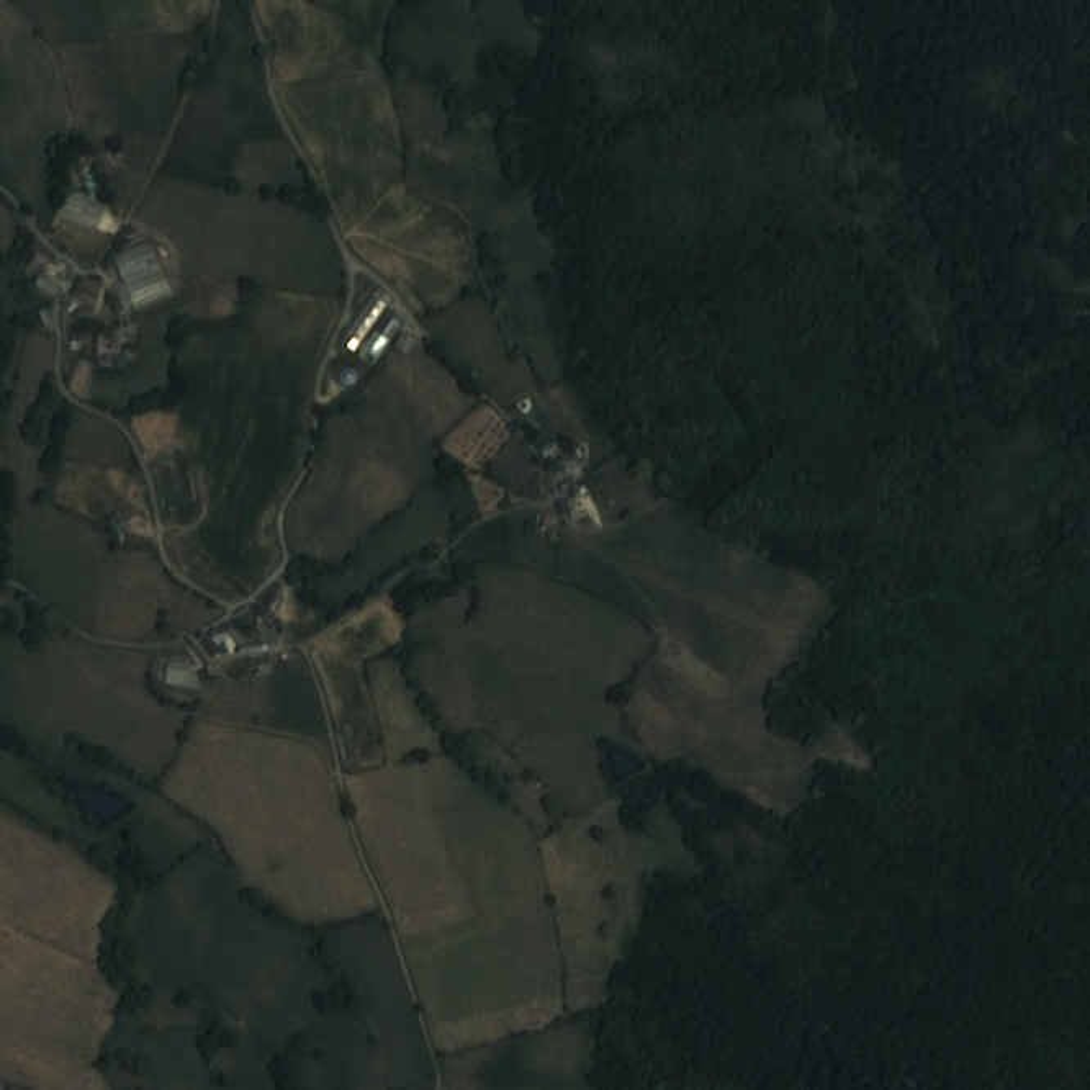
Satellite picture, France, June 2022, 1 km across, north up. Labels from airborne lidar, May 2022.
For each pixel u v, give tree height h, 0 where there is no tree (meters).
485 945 0
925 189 19
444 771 0
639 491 0
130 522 0
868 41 12
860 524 14
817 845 17
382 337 0
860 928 17
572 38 7
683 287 16
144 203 0
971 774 18
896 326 8
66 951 0
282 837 0
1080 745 8
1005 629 14
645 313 17
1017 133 16
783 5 14
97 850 12
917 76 28
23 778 0
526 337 0
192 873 0
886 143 19
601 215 8
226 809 0
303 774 0
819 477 14
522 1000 0
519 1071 0
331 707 0
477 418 0
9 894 0
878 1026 23
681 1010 23
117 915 12
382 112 0
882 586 14
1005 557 13
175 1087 0
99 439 0
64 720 0
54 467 14
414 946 0
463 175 0
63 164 13
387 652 9
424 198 0
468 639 0
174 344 16
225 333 0
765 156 8
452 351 0
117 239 6
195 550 0
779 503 12
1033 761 22
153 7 0
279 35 0
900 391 16
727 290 13
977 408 19
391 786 0
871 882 17
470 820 0
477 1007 0
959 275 24
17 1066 0
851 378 8
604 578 0
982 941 26
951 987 21
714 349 17
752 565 0
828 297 18
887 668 14
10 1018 0
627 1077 8
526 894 0
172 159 0
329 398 0
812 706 19
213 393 0
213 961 0
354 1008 9
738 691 0
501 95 0
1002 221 8
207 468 0
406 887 0
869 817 16
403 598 20
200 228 0
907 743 16
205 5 0
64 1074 0
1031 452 6
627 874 0
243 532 0
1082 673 15
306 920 0
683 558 0
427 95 0
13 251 7
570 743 0
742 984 14
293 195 16
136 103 0
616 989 17
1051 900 26
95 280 5
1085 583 11
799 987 17
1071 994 25
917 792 17
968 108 9
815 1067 23
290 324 0
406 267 0
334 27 0
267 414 0
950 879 22
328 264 0
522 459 0
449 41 0
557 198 17
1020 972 22
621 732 0
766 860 8
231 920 0
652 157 6
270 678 0
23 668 0
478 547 0
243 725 0
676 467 17
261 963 0
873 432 13
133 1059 8
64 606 0
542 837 0
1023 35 14
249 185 0
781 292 18
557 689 0
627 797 10
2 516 11
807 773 0
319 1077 0
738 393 16
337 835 0
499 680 0
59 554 0
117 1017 9
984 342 21
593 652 0
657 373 17
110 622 0
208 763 0
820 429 13
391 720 0
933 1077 25
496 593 0
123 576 0
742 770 0
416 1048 0
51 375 8
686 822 14
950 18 17
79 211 0
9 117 0
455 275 0
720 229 9
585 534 0
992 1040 16
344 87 0
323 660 0
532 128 22
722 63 11
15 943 0
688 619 0
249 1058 0
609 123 18
